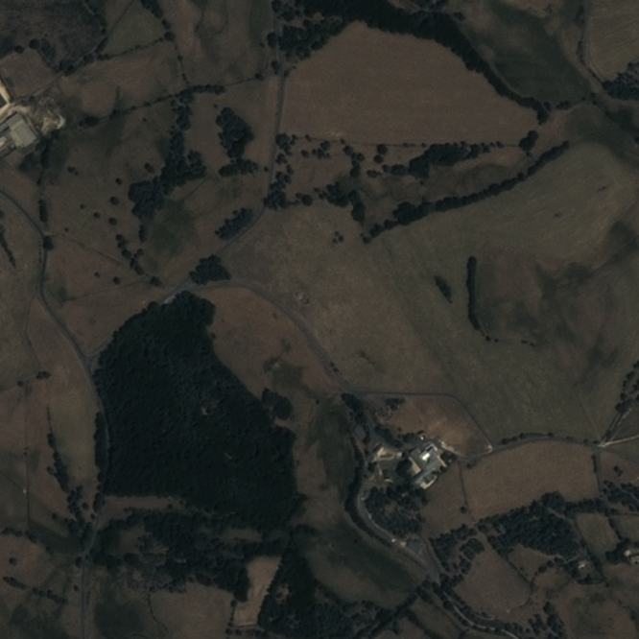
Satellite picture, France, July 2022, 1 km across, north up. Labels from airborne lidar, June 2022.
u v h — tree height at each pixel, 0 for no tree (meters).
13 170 0
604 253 0
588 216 0
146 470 23
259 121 0
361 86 0
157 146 0
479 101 0
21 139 0
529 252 0
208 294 0
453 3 0
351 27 0
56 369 0
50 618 0
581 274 0
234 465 17
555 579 0
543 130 0
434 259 0
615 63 0
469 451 0
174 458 18
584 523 0
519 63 0
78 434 0
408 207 17
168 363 22
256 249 0
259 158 0
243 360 0
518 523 21
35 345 0
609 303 0
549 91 0
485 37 0
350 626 20
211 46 0
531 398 0
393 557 0
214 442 14
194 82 0
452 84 0
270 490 18
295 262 0
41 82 0
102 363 16
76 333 0
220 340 0
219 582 12
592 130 0
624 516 0
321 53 0
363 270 0
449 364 0
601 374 0
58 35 0
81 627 0
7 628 0
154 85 0
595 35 0
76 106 0
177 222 0
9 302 0
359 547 0
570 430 0
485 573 0
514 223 0
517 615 0
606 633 0
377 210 0
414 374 0
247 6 0
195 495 18
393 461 0
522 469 0
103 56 11
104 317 0
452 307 0
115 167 0
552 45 0
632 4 0
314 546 0
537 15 0
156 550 0
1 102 0
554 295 0
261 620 16
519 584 0
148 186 22
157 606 0
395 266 0
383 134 0
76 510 11
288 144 15
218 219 0
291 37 18
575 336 0
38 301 0
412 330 0
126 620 0
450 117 0
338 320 0
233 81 0
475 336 0
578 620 0
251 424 17
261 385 0
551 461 0
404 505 20
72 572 0
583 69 0
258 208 0
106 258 0
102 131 0
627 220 0
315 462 0
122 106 0
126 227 0
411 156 0
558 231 0
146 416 15
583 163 0
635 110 0
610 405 0
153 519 14
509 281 0
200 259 0
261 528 13
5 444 0
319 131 0
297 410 0
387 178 0
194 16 0
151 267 0
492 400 0
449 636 0
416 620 11
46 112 0
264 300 0
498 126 0
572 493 0
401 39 0
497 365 0
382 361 0
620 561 16
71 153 0
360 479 12
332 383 0
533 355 0
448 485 0
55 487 0
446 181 0
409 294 0
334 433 0
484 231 0
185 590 0
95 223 0
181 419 8
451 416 0
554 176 0
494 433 0
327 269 0
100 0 0
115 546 0
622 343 0
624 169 0
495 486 0
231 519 12
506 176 0
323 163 0
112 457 17
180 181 14
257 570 0
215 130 0
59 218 0
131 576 0
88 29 0
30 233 0
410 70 0
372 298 0
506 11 0
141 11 0
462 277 0
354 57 0
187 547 10
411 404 0
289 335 0
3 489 0
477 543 13
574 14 0
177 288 0
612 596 0
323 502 0
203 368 15
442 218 0
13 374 0
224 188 0
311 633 13
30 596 0
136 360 23
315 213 0
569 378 0
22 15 0
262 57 0
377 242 0
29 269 0
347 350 0
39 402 0
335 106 0
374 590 0
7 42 0
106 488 14
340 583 0
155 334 18
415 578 0
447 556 17
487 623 0
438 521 0
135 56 0
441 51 0
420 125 0
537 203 0
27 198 0
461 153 16
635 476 0
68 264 0
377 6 22
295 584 15
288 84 0
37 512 0
